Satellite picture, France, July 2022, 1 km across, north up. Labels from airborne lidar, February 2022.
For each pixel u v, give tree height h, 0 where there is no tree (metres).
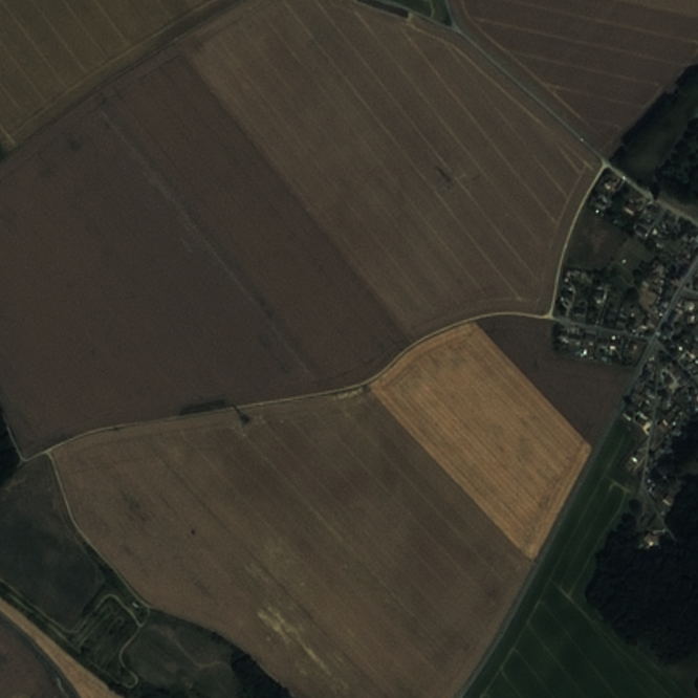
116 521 0
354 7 0
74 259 0
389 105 0
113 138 0
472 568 0
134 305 0
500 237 0
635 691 0
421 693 0
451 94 0
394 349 0
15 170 0
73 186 0
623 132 0
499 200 0
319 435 0
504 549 0
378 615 0
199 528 0
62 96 0
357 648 0
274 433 0
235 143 0
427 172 0
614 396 0
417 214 0
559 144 0
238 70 0
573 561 0
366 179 0
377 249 0
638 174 0
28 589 0
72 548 0
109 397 0
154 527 0
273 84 0
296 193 0
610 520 0
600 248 0
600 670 0
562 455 0
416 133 0
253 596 0
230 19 0
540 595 0
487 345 0
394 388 0
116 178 0
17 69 0
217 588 0
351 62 0
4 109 0
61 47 0
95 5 0
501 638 0
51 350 0
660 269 0
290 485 0
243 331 0
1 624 0
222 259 0
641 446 0
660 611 28
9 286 0
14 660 0
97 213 0
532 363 0
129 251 0
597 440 0
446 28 0
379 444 0
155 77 0
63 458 0
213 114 0
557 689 0
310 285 0
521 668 0
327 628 0
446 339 0
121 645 0
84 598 0
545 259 0
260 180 0
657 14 0
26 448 0
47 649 0
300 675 0
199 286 0
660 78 0
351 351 0
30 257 0
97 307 0
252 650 0
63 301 0
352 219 0
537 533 0
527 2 0
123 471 0
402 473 0
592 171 0
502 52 0
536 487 0
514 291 0
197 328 0
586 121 0
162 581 0
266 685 20
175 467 0
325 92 0
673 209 0
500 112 0
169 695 11
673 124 0
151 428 0
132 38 0
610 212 10
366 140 0
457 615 0
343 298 0
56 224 0
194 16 0
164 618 0
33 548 0
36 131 0
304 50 0
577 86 0
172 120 0
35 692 0
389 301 0
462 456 0
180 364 0
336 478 0
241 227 0
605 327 0
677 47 0
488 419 0
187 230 0
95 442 0
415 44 0
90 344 0
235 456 0
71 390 0
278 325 0
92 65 0
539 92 0
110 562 0
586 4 0
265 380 0
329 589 0
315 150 0
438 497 0
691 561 28
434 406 0
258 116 0
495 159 0
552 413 0
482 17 0
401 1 0
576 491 0
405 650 0
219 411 0
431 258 0
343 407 0
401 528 0
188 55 0
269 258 0
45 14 0
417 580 0
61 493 0
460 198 0
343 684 0
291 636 0
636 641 18
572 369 0
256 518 0
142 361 0
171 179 0
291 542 0
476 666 0
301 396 0
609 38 0
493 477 0
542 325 0
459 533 0
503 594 0
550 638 0
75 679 0
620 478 0
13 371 0
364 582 0
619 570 17
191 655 0
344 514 0
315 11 0
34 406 0
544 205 0
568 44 0
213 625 0
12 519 0
